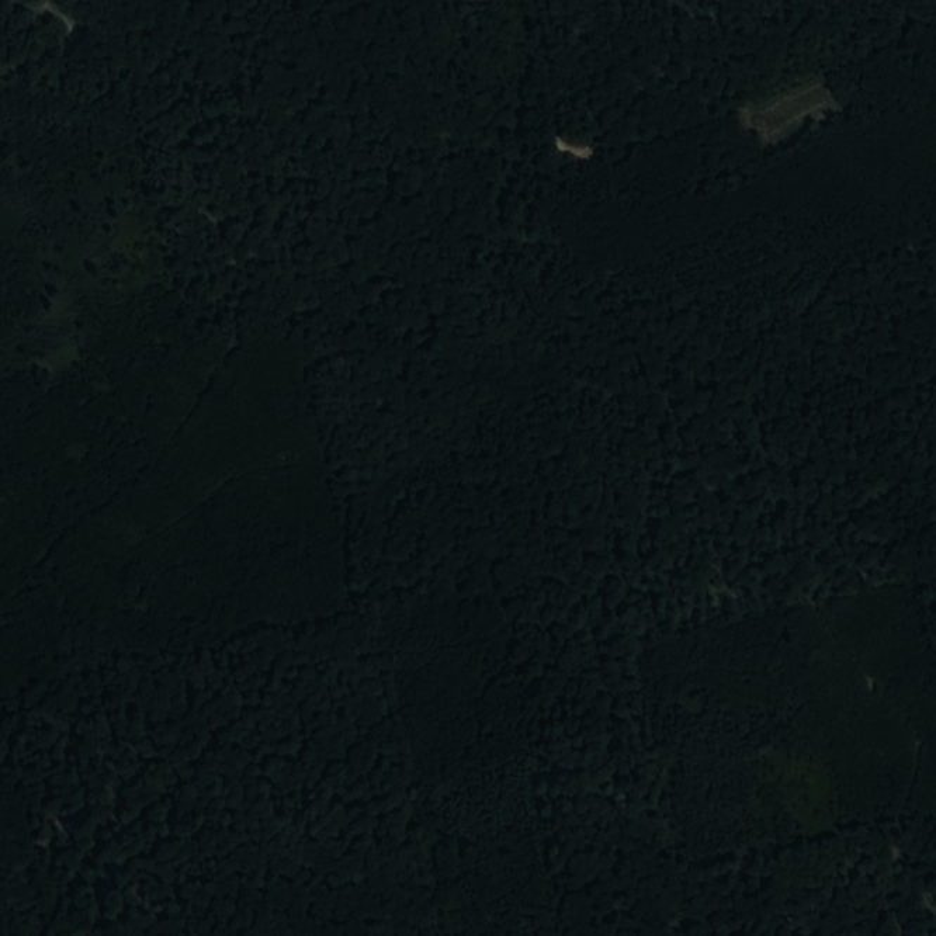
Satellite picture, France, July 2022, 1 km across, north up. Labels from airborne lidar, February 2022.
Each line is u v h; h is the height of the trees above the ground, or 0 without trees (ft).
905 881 99
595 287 85
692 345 77
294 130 91
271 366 52
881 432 74
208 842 93
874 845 87
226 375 58
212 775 97
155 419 42
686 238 45
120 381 41
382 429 88
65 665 97
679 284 72
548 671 87
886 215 52
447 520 111
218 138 93
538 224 86
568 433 79
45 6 0
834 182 46
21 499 31
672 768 0
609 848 95
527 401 68
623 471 103
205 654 86
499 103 70
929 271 77
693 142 73
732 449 88
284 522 34
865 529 106
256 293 93
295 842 84
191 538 40
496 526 76
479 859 33
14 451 34
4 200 0
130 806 85
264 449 55
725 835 30
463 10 101
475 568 101
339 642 88
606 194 40
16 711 40
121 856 101
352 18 93
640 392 98
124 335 22
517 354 88
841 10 82
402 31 90
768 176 40
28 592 32
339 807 103
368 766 85
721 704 28
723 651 32
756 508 104
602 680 89
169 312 25
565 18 52
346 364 102
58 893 24
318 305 86
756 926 79
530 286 72
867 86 79
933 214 49
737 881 90
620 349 86
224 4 82
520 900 45
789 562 90
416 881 74
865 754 28
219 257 72
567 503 106
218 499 66
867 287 87
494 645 49
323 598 31
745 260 46
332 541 53
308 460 41
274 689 92
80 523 54
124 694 93
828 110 0
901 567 102
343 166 93
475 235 47
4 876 56
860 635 35
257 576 27
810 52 78
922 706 34
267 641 96
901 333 94
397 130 98
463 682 42
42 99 32
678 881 91
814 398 85
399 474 89
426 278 105
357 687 89
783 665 33
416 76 84
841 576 102
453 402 91
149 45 81
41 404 34
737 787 28
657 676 21
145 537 45
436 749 42
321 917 86
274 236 91
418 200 88
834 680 34
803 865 77
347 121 51
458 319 100
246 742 99
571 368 71
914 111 39
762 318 85
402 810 107
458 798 37
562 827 89
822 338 73
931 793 36
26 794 85
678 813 25
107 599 38
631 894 93
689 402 95
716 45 90
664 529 108
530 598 87
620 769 96
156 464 41
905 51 88
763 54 82
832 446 95
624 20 77
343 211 95
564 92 61
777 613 29
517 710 64
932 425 91
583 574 85
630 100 62
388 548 89
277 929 89
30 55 77
